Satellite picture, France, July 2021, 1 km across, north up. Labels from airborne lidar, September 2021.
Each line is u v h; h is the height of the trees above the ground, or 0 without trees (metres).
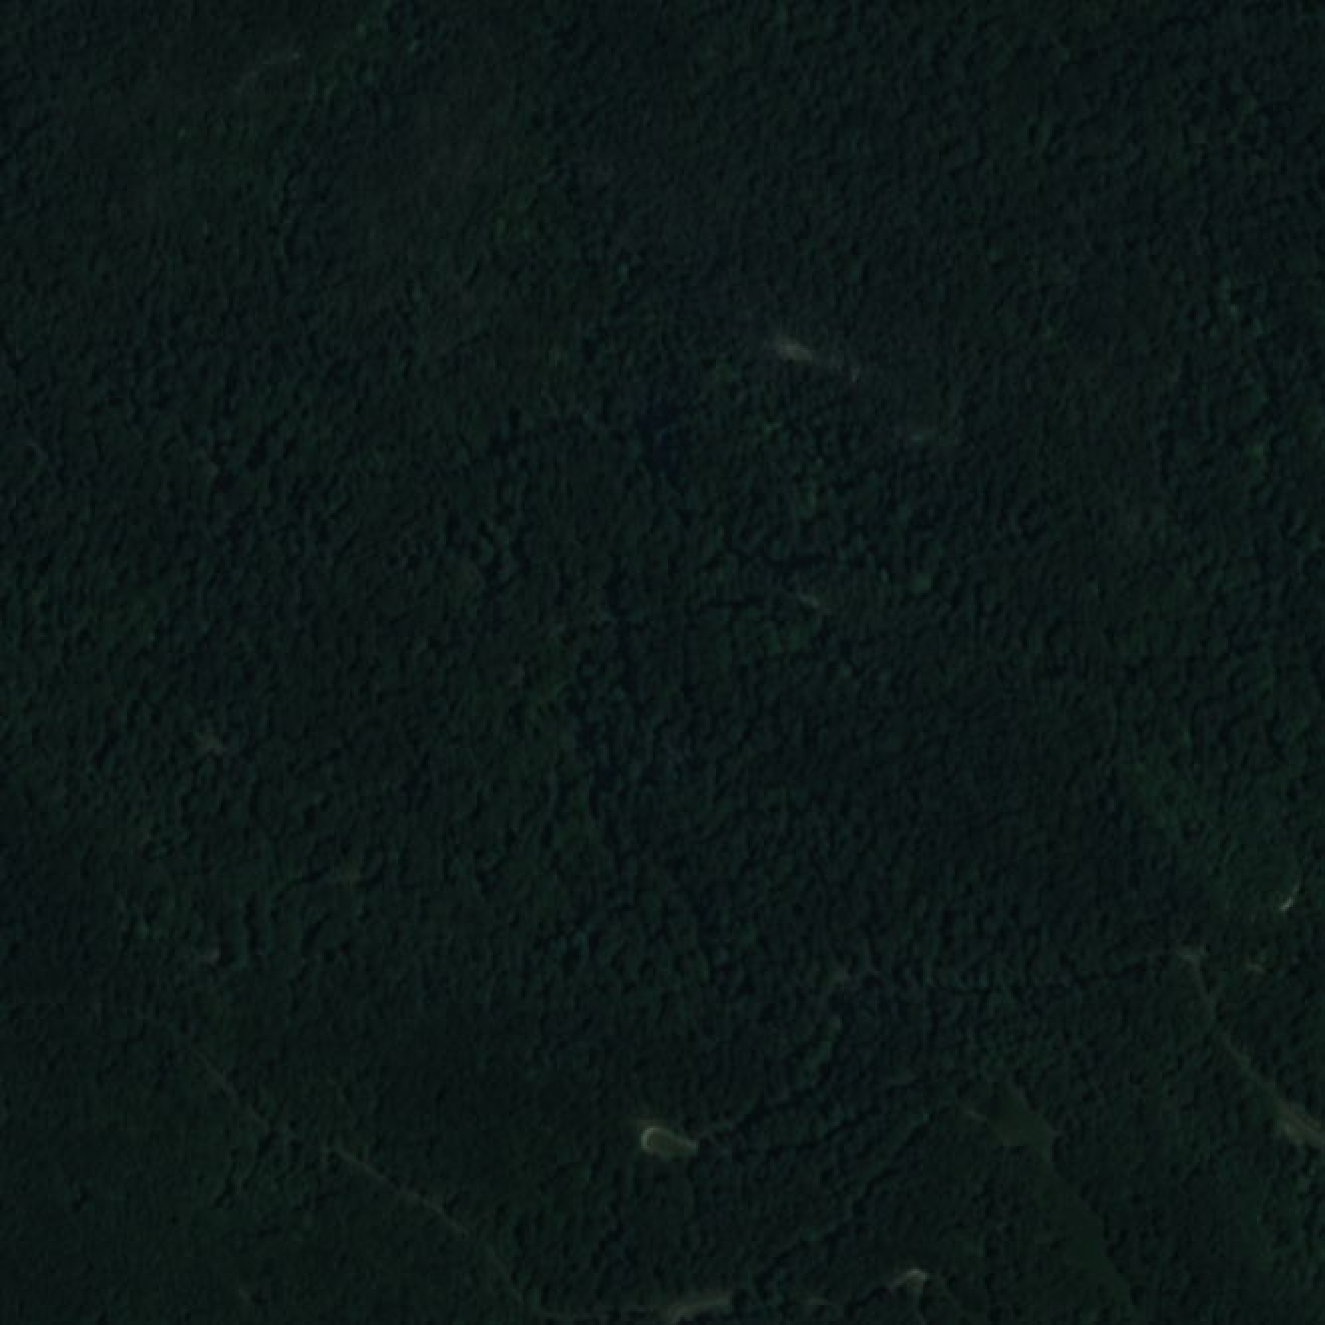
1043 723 29
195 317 19
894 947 24
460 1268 28
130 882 27
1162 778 24
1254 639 26
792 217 19
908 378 9
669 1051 26
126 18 18
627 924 42
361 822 34
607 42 22
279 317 15
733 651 38
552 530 19
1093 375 8
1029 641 35
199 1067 23
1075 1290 23
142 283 27
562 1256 18
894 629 15
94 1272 22
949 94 26
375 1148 11
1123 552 16
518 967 19
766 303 12
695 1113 30
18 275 24
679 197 6
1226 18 29
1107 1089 27
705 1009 30
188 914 33
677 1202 23
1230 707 30
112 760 28
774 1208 27
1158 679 30
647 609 33
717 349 20
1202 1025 23
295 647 20
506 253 19
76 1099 23
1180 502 26
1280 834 29
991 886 19
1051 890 17
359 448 29
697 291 14
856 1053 22
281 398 34
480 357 11
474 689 31
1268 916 13
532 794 27
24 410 32
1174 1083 27
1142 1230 17
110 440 37
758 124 16
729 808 26
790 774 27
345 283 13
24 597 25
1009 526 26
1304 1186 34
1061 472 17
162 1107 24
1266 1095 16
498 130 10
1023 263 18
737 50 22
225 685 25
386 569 30
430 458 29
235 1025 20
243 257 14
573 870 26
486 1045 30
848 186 19
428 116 6
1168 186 32
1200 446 21
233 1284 27
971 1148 28
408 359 12
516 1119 28
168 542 27
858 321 15
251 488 34
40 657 32
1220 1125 24
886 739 30
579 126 10
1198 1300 21
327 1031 31
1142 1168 20
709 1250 24
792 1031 32
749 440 30
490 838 41
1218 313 23
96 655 31
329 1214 29
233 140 22
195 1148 27
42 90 18
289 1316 28
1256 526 34
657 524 28
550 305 19
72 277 24
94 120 11
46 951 21
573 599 37
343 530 35
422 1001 21
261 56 9
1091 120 13
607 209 17
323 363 33
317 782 38
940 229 17
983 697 21
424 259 10
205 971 25
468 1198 26
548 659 39
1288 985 25
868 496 24
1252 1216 33
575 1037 28
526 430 15
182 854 29
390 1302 26
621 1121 24
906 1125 25
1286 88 25
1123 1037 27
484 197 22
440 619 35
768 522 11
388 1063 25
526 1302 16
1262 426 28
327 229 10
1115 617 29
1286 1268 31
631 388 6
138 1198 28
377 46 14
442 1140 29
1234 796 29
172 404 38
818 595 8
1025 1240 27
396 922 35
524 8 18
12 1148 29
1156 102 23
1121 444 17
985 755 23
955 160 25
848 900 26
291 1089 27
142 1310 25
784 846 24
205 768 33
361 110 14
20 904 27
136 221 17
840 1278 28
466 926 36
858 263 20
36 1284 24
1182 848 26
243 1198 27
